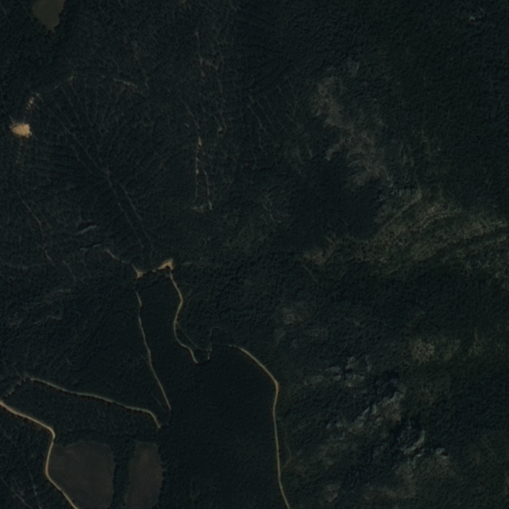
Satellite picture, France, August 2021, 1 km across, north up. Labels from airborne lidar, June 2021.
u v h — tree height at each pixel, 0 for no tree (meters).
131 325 11
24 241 10
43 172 11
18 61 17
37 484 12
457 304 7
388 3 7
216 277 8
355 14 7
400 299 11
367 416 7
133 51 13
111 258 10
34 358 9
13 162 11
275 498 9
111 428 9
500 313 6
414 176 10
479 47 15
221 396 12
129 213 12
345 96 7
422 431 30
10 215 8
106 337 9
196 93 13
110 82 13
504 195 11
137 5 14
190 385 11
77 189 10
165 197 8
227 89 13
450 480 9
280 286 8
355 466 9
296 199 15
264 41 13
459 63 11
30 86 11
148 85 9
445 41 10
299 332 7
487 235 7
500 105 15
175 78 10
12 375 11
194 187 10
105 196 13
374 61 7
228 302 6
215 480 13
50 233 12
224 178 9
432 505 8
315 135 12
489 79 13
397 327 11
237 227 8
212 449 10
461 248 7
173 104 12
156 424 10
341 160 14
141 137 10
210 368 13
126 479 15
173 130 11
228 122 13
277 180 9
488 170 7
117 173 11
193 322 8
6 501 12
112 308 10
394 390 6
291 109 13
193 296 7
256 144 10
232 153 7
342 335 7
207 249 7
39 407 11
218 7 11
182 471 12
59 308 10
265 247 9
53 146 7
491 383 8
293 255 13
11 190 18
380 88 10
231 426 10
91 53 11
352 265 8
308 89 7
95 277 9
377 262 7
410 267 10
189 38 14
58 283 6
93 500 0
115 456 9
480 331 6
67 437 12
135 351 9
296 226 12
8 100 17
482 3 14
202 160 10
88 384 9
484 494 7
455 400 12
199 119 10
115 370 10
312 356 6
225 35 11
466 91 10
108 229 13
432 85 8
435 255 7
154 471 0
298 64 9
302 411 7
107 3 16
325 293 7
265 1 13
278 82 12
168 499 12
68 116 10
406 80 8
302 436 6
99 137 11
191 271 10
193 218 11
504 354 7
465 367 11
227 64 11
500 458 8
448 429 9
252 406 8
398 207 6
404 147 7
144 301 9
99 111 10
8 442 10
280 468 0
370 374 10
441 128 6
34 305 8
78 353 10
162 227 9
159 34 12
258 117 12
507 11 15
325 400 11
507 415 6
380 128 7
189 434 9
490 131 11
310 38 11
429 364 10
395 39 8
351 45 10
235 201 10
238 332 6
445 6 10
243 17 14
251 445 6
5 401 12
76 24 14
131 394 12
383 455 8
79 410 10
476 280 8
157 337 11
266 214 6
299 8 11
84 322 8
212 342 7
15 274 9
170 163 10
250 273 8
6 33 21
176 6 13
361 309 6
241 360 6
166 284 7
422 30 12
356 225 12
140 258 14
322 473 7
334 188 17
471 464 9
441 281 12
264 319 7
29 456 13
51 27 0
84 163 10
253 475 7
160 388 10
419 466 6
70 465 0
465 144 8
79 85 12
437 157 6
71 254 10
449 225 9
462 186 7
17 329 7
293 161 6
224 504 10
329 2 12
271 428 7
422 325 8
